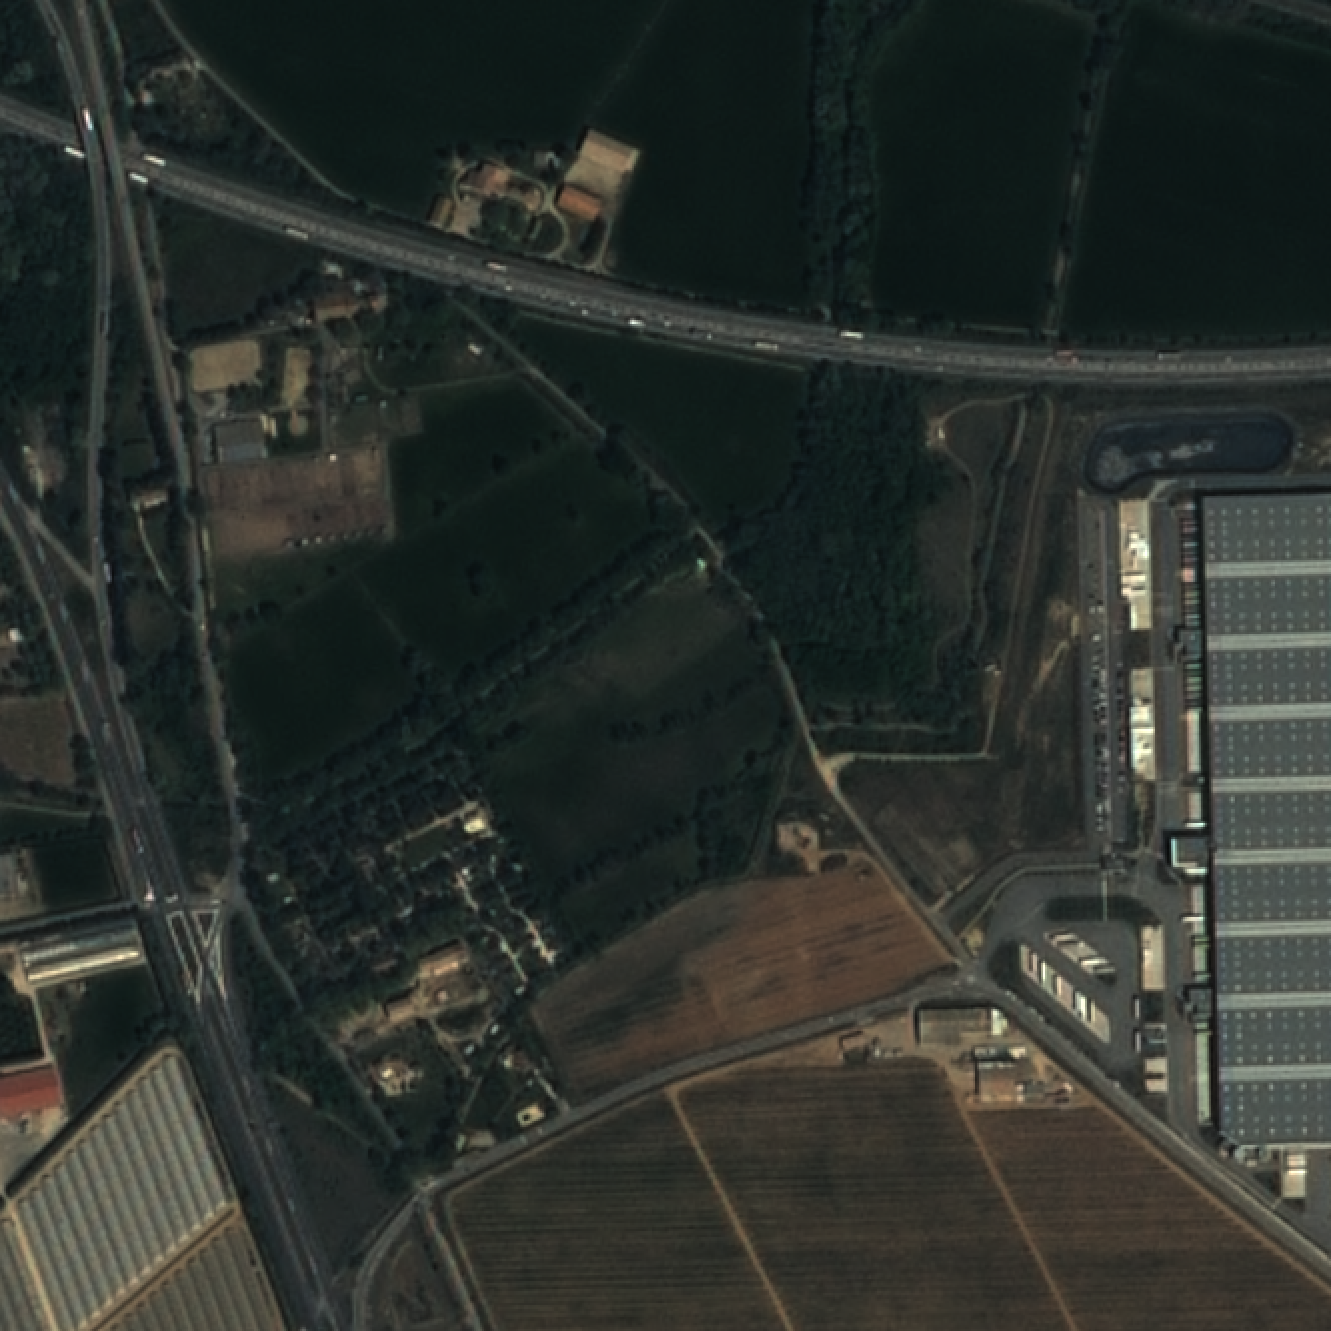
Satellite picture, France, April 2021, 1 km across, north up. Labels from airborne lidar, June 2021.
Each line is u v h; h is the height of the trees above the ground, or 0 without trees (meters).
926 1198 0
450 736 12
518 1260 0
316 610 0
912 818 0
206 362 0
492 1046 8
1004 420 0
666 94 0
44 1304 0
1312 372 0
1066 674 0
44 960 0
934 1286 0
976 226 0
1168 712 0
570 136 0
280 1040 18
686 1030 0
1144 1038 0
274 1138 0
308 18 0
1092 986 0
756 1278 0
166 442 14
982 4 0
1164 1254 0
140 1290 0
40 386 15
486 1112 0
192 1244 0
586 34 0
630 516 0
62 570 0
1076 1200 0
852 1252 0
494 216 17
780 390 0
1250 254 0
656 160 0
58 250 18
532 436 0
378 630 0
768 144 0
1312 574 0
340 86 0
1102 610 0
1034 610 0
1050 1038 0
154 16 6
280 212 0
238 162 11
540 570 0
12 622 7
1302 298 0
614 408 0
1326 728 0
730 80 0
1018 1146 0
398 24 0
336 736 0
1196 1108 0
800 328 0
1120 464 0
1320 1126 0
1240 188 0
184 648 12
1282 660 0
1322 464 0
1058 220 0
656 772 0
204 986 0
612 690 0
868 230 15
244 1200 11
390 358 9
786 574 20
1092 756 0
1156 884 0
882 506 19
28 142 12
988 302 0
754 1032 0
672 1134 0
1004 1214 0
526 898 8
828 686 6
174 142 10
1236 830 0
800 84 0
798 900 0
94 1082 0
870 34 12
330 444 0
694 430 0
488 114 0
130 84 9
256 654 0
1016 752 0
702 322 0
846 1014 0
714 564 11
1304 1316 0
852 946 0
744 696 11
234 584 0
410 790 11
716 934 0
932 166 0
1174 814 0
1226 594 0
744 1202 0
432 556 0
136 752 0
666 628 0
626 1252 0
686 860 0
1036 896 0
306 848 10
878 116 0
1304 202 0
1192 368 0
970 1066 0
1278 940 0
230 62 0
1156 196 0
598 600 8
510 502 0
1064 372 0
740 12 0
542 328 0
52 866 0
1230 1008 0
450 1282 0
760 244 0
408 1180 15
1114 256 0
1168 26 0
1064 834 0
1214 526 0
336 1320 0
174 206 7
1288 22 9
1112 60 11
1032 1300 0
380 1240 0
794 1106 0
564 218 0
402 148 0
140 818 0
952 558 0
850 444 17
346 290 8
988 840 0
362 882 21
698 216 0
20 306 18
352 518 0
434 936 27
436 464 0
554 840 0
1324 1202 0
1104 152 0
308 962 10
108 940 0
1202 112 0
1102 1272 0
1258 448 0
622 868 9
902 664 11
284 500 0
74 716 0
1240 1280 0
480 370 0
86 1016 0
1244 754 0
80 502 6
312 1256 0
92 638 0
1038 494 0
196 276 0
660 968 0
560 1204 0
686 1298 0
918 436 10
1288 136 0
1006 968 0
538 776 0
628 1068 0
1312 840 0
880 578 22
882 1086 0
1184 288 0
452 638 0
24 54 13
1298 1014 0
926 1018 0
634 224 0
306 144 0
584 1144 0
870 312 15
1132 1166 0
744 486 0
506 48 0
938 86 0
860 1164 0
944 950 0
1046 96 0
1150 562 0
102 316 0
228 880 0
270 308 16
